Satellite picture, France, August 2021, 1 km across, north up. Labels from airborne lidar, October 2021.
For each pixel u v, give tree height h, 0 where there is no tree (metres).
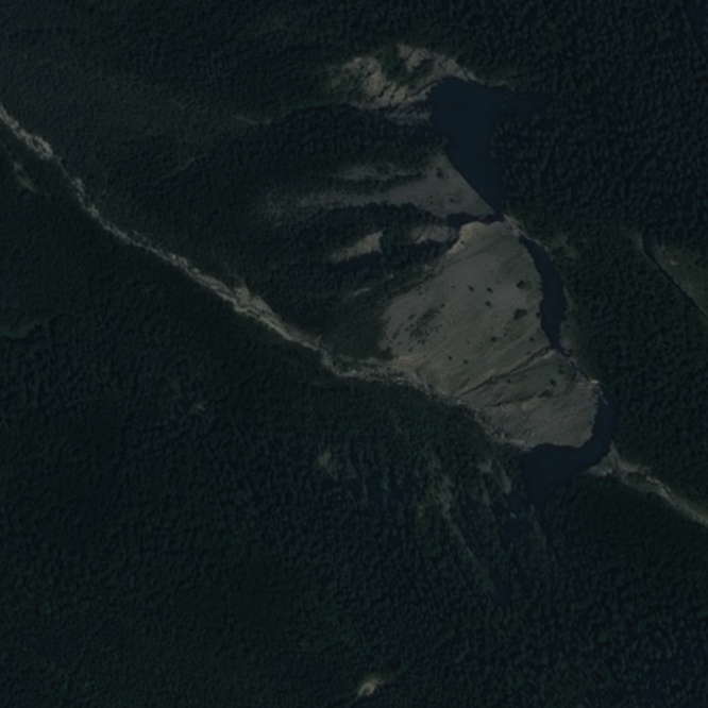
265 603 14
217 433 21
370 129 16
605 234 16
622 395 18
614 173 23
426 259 8
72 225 20
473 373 0
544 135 29
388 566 17
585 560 22
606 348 7
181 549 17
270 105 24
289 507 21
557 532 15
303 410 6
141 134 7
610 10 20
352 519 14
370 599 19
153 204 14
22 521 18
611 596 16
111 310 17
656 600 16
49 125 9
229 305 14
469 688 20
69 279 14
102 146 7
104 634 12
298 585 14
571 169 25
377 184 8
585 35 26
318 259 16
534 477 9
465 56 10
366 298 7
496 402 0
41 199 19
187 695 11
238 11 20
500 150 13
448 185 0
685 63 26
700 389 27
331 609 7
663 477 7
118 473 23
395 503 24
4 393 15
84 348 20
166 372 26
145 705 8
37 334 19
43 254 14
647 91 25
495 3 17
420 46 9
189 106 8
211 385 16
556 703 14
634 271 25
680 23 15
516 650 6
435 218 11
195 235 12
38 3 13
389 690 10
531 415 0
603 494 15
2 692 24
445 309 0
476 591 19
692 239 19
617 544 21
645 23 16
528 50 16
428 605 31
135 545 18
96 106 9
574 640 8
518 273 0
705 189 20
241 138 13
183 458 26
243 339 10
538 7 23
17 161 11
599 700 17
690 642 16
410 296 0
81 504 15
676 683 27
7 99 7
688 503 0
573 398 0
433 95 0
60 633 10
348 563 18
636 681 10
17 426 17
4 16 9
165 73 21
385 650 13
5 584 11
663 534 18
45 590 11
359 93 8
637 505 13
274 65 24
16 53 10
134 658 11
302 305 12
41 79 10
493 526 14
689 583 13
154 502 28
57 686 11
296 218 9
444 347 0
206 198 16
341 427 11
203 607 10
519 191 22
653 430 13
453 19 15
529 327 0
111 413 18
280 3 22
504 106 16
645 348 11
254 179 11
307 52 18
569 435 0
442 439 6
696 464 14
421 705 11
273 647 12
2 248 14
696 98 19
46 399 19
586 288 19
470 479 11
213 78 13
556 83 17
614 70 27
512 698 9
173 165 8
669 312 22
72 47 7
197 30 13
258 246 19
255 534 22
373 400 6
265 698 10
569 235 8
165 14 20
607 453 35
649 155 16
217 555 14
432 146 11
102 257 20
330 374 8
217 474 27
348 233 20
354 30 19
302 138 29
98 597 9
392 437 10
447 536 13
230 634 14
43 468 15
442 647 17
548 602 22
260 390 14
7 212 15
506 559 12
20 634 12
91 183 9
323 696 13
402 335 0
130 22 14
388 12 23
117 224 6
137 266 18
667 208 16
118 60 9
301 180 12
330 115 16
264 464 15
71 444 11
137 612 17
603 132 16
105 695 12
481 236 0
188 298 17
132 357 24
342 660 10
